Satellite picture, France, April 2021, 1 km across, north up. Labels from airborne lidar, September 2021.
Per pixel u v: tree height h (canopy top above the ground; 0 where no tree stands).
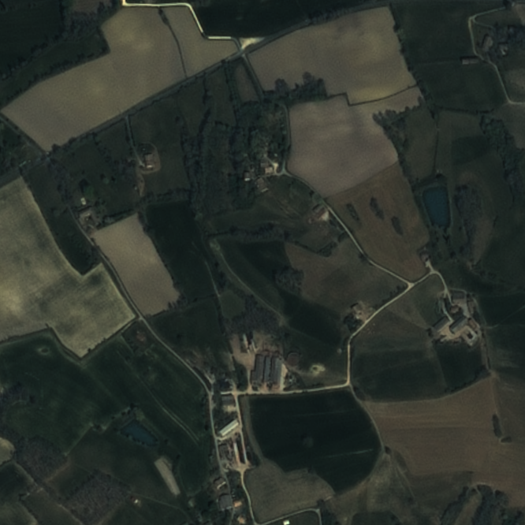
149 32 0
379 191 0
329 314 0
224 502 0
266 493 0
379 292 0
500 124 9
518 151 8
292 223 0
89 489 16
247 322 15
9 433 15
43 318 0
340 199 0
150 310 0
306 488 0
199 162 15
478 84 0
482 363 0
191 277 0
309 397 0
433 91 0
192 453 0
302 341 0
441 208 0
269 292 0
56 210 11
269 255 0
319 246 0
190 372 0
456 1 0
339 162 0
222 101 0
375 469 0
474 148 0
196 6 24
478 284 0
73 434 0
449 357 0
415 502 12
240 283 0
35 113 0
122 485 12
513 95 0
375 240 0
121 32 0
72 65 14
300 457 0
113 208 0
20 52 0
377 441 0
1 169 0
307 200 0
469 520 0
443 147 0
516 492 0
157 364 0
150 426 0
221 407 7
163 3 0
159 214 0
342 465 0
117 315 0
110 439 0
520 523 14
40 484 16
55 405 0
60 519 0
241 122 11
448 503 0
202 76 6
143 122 0
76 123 0
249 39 0
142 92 0
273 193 0
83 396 0
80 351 0
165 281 0
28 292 0
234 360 0
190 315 0
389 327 0
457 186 0
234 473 10
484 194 0
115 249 0
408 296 0
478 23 0
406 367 0
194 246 0
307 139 0
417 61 0
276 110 7
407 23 0
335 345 0
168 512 0
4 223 0
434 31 0
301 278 14
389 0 0
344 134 0
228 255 0
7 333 0
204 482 0
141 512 0
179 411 0
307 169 0
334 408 0
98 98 0
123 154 0
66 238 0
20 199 0
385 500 0
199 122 0
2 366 0
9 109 0
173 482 0
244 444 0
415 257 0
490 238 0
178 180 0
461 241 0
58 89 0
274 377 0
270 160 8
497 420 12
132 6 0
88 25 15
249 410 0
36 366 0
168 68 0
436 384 0
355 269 0
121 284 0
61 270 0
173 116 0
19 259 0
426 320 0
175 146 0
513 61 0
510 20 0
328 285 0
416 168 0
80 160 0
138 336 0
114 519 0
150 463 0
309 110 0
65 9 16
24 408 0
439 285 0
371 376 0
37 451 15
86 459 0
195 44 0
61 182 19
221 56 0
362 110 0
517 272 0
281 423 0
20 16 0
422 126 0
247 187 8
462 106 0
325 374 0
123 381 0
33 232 0
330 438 0
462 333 0
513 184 16
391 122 13
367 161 0
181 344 9
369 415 0
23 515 0
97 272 0
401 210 0
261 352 0
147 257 0
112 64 0
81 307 0
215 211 7
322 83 13
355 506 0
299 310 0
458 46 0
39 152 0
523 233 0
